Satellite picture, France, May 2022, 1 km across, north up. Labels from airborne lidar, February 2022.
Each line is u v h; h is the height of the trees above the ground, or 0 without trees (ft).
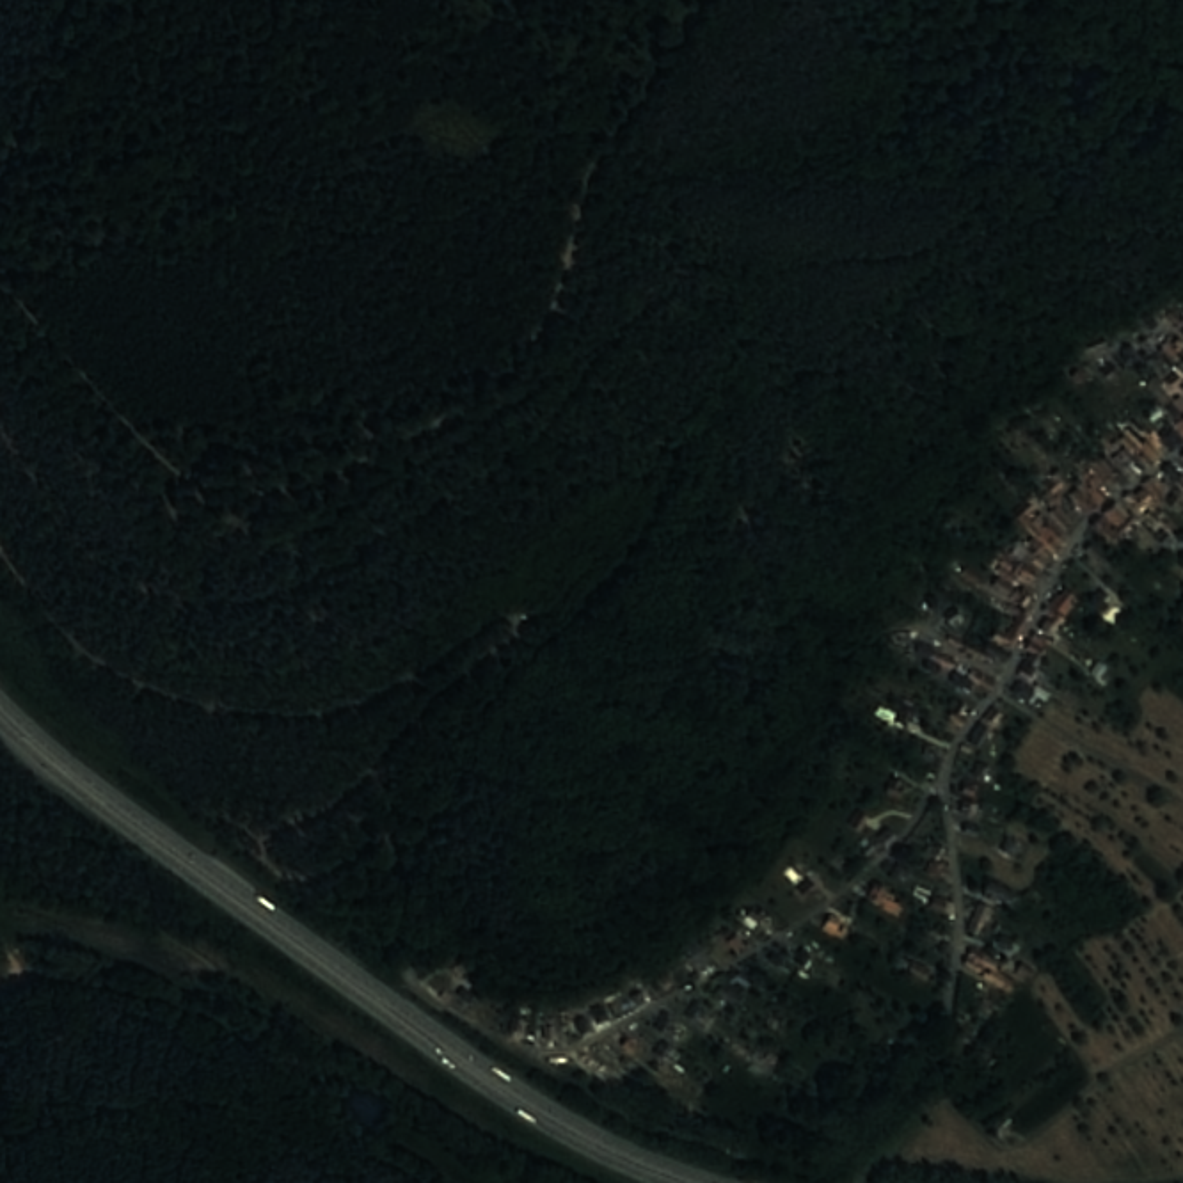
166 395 53
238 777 63
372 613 98
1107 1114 0
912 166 79
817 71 68
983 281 65
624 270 27
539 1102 0
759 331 69
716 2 69
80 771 0
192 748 61
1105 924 29
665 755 63
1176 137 90
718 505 74
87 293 56
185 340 60
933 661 0
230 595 83
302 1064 84
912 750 28
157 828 0
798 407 78
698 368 94
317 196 42
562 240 37
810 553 69
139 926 65
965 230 71
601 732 66
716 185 70
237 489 85
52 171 89
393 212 32
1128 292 76
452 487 55
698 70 62
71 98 43
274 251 37
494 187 34
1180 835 0
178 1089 61
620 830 59
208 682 56
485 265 42
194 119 32
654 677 58
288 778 63
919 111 66
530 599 44
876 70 72
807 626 67
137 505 62
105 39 46
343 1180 90
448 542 81
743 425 82
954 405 65
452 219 34
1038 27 125
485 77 45
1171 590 0
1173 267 61
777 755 106
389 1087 77
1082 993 20
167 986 52
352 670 70
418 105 46
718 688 71
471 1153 90
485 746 58
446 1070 0
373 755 54
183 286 55
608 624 83
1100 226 64
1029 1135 0
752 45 54
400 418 74
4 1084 68
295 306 30
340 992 0
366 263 49
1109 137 99
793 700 83
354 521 92
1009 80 105
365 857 86
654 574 84
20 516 68
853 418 64
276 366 44
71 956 83
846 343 63
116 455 76
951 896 0
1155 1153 0
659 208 60
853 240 61
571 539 59
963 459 62
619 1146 0
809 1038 36
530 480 72
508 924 78
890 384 72
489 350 40
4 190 89
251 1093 66
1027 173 80
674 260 57
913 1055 64
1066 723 0
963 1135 0
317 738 64
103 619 61
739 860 107
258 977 0
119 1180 60
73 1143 60
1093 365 0
